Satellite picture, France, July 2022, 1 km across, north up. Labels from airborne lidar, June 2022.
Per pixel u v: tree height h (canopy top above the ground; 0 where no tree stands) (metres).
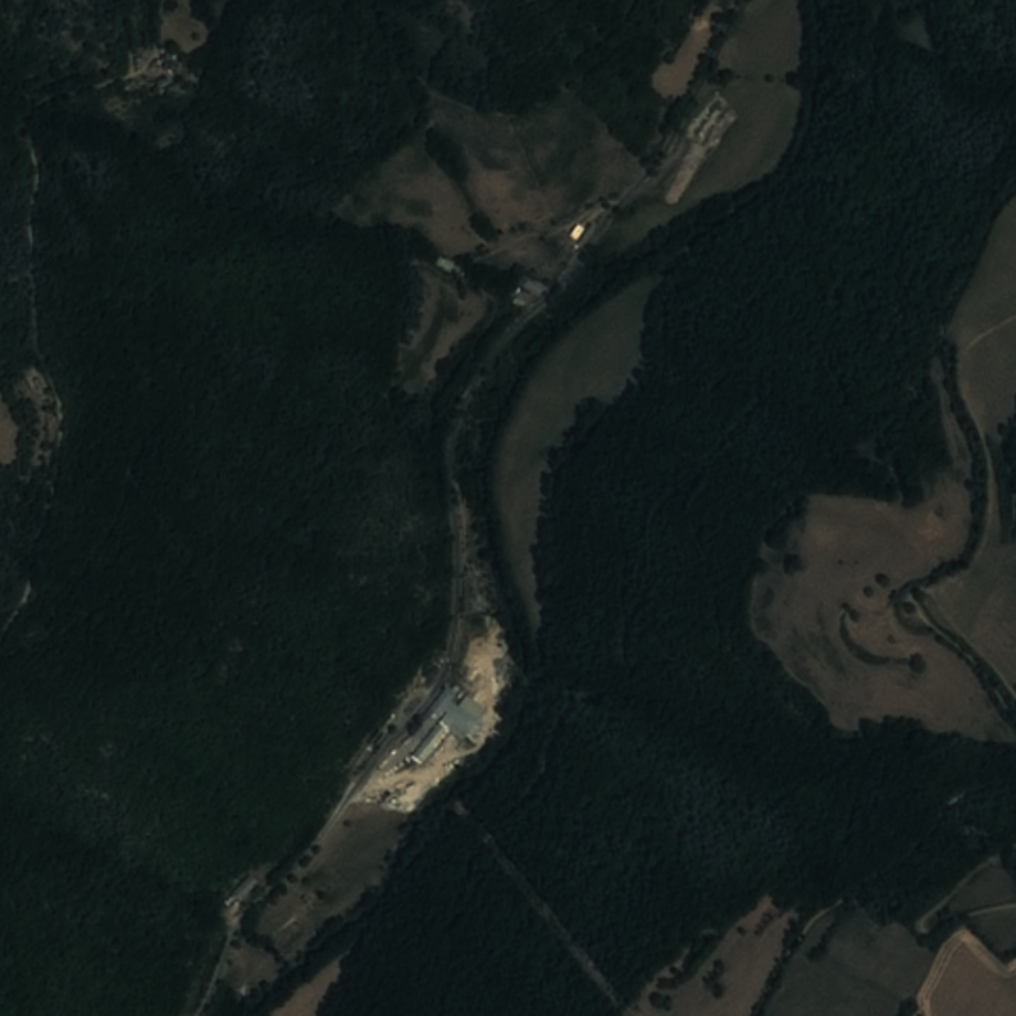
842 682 0
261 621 10
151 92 10
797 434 29
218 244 21
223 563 8
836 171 15
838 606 0
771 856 16
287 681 12
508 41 10
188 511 8
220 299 13
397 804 0
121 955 12
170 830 11
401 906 23
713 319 16
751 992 0
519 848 20
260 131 8
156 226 12
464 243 0
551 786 20
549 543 18
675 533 20
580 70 12
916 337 9
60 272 13
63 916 17
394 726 7
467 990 21
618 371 0
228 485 7
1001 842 14
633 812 11
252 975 0
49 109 10
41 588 15
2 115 16
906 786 17
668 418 13
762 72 0
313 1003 0
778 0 0
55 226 15
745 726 15
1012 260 0
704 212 15
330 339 12
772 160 0
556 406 0
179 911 11
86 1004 9
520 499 0
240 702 13
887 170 14
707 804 14
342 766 6
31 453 8
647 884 16
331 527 11
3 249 14
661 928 21
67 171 19
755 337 19
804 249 14
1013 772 23
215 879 14
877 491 16
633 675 19
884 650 0
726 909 18
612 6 14
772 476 13
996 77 10
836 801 20
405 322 21
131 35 9
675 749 17
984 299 0
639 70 11
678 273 16
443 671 0
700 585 17
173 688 12
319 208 22
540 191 0
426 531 8
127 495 9
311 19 19
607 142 0
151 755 13
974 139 27
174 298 10
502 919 16
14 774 14
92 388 12
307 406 14
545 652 21
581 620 24
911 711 0
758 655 12
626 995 17
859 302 11
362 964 25
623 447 13
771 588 0
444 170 10
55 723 8
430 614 8
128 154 27
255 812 10
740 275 16
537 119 0
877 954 0
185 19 0
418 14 15
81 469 15
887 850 19
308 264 18
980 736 0
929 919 0
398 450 9
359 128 16
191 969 9
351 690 15
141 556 10
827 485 18
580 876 18
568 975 10
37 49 7
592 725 18
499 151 0
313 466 7
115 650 9
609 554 18
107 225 11
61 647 8
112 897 13
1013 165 22
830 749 16
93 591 12
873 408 13
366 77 11
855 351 16
